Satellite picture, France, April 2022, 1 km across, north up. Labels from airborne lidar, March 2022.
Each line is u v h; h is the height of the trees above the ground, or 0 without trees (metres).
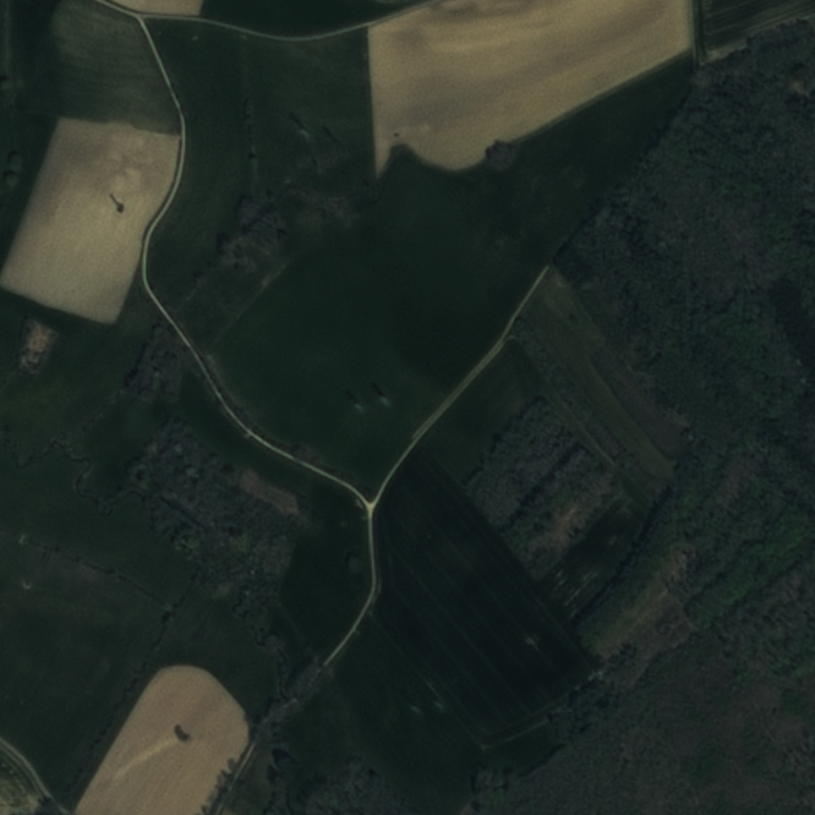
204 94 0
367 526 0
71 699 0
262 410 0
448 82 0
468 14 0
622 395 0
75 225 0
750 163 19
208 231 0
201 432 0
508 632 0
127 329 0
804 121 21
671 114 0
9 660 0
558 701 0
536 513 26
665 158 31
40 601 0
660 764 16
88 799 0
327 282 0
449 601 0
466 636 0
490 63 0
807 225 27
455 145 0
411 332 0
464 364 0
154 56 0
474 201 0
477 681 0
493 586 0
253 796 0
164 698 0
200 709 0
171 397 20
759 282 26
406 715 0
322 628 0
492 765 0
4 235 0
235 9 0
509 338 0
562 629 0
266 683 0
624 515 0
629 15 0
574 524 0
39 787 0
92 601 0
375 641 0
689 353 28
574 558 0
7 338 0
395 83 0
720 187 24
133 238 0
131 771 0
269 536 18
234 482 25
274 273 0
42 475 0
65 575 0
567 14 0
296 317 0
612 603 24
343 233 0
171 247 0
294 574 0
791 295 20
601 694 24
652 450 0
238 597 0
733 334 27
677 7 0
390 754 0
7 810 0
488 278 0
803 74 23
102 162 0
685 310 23
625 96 0
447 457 0
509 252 0
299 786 0
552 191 0
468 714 0
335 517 0
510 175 0
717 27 0
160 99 0
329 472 7
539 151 0
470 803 0
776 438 19
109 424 0
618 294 16
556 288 0
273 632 0
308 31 0
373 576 0
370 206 0
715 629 9
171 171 0
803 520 24
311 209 0
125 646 0
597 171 0
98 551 0
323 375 0
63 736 0
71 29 0
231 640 0
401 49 0
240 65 0
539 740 0
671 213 14
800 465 26
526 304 0
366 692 0
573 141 0
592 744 15
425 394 0
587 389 0
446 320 0
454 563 0
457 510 0
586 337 0
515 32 0
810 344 20
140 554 0
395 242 0
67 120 0
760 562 26
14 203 0
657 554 26
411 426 0
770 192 24
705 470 24
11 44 0
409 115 0
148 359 12
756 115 20
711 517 26
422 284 0
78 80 0
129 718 0
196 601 0
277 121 0
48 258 0
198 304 0
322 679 19
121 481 0
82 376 0
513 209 0
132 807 0
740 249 30
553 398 0
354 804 25
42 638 0
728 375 26
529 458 17
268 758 0
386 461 0
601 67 0
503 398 0
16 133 0
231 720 0
